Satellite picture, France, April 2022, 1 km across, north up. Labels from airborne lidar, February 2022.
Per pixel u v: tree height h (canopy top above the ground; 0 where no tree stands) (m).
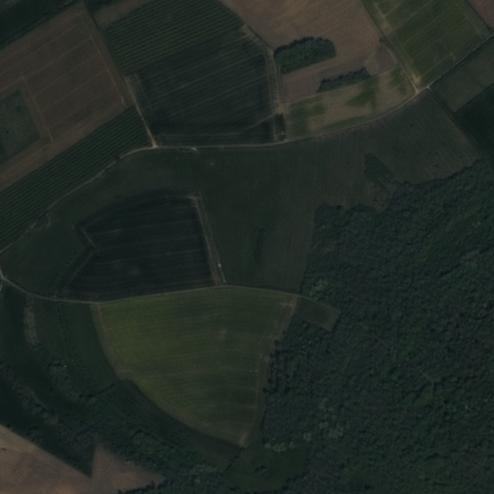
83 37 0
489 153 0
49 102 0
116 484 0
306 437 25
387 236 8
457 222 15
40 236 0
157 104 0
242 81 0
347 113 0
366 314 9
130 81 0
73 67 0
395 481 22
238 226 0
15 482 0
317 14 0
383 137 0
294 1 0
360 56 0
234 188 0
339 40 0
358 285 16
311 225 0
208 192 0
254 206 0
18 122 0
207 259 0
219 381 0
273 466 0
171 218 0
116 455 13
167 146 0
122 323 0
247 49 0
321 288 21
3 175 0
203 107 0
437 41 0
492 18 0
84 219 0
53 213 0
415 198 17
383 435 23
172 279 0
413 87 0
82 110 0
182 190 0
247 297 0
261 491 0
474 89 0
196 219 0
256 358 0
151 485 0
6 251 0
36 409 14
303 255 0
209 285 0
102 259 0
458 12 0
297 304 0
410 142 0
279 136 0
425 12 0
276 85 0
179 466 21
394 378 16
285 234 0
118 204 0
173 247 0
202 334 0
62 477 0
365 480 0
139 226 0
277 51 0
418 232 18
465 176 16
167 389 0
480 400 9
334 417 17
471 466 23
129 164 0
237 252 0
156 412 0
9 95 0
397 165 0
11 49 0
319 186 0
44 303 0
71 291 0
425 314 19
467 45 0
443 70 0
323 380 18
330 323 0
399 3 0
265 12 0
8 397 0
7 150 0
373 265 21
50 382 0
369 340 11
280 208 0
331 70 0
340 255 11
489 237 8
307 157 0
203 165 0
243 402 0
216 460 0
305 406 6
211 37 0
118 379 0
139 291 0
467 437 11
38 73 0
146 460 17
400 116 0
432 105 0
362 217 16
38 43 0
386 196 0
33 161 0
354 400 21
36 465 0
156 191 0
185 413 0
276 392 10
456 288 14
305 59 15
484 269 21
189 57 0
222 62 0
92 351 0
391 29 0
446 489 21
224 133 0
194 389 0
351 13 0
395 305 20
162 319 0
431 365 18
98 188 0
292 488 18
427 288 16
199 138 0
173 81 0
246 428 0
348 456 22
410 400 24
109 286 0
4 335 0
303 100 0
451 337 14
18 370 0
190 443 0
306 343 6
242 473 0
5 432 0
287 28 0
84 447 18
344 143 0
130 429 6
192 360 0
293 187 0
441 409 10
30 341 0
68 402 0
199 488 26
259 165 0
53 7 0
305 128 0
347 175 0
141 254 0
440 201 18
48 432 0
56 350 0
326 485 26
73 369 0
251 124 0
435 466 24
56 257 0
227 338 0
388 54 0
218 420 0
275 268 0
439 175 0
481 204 13
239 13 0
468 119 0
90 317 0
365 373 8
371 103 0
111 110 0
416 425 25
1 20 0
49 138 0
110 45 0
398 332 8
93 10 0
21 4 0
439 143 0
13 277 0
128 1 0
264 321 0
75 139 0
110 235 0
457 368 11
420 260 12
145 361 0
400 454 21
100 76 0
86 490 0
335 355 22
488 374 12
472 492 22
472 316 15
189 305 0
